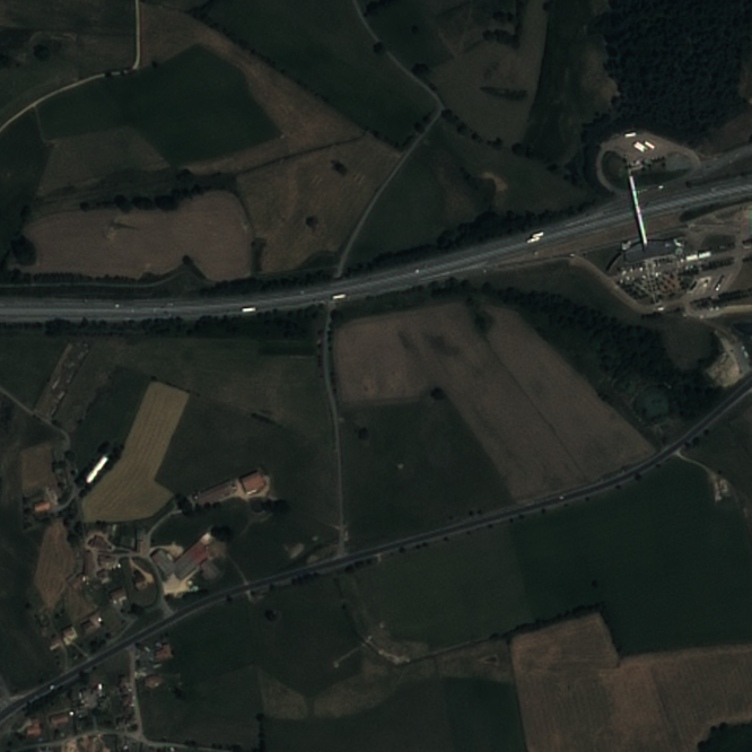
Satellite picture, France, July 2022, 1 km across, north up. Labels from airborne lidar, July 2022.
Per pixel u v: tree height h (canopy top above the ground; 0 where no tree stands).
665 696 0
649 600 0
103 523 7
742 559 0
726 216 0
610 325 9
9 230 0
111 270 0
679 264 0
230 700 0
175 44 0
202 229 0
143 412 0
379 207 0
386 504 0
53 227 0
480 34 0
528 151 6
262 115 0
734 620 0
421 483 0
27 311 0
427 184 0
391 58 0
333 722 0
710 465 0
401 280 0
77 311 0
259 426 0
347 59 0
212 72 0
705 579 0
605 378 0
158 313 0
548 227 0
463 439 0
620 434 0
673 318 0
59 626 0
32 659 0
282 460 0
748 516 0
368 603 0
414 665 0
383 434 0
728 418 0
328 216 0
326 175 0
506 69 0
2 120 0
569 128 0
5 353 0
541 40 0
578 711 0
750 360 0
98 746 0
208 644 0
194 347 0
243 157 0
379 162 0
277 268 0
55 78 0
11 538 0
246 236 0
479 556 0
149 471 0
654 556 0
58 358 0
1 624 0
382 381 0
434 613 0
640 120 15
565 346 0
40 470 0
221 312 0
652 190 0
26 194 0
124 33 0
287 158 0
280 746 0
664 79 20
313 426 0
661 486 0
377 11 19
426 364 0
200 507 14
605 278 0
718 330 0
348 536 0
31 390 0
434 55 0
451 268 0
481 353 0
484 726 0
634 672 0
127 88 0
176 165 0
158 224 0
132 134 0
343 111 0
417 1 0
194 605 0
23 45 0
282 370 0
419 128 12
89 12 0
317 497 0
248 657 0
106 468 9
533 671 0
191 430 0
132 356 0
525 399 0
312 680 0
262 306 0
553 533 0
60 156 0
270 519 0
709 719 0
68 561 0
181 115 0
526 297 13
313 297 0
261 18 0
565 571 0
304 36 0
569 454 0
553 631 0
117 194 0
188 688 0
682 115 16
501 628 0
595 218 0
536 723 0
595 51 0
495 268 0
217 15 0
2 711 0
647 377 6
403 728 0
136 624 0
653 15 9
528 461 0
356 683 0
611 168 0
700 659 0
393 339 0
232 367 0
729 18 10
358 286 0
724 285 0
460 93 0
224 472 0
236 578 0
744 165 0
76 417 0
